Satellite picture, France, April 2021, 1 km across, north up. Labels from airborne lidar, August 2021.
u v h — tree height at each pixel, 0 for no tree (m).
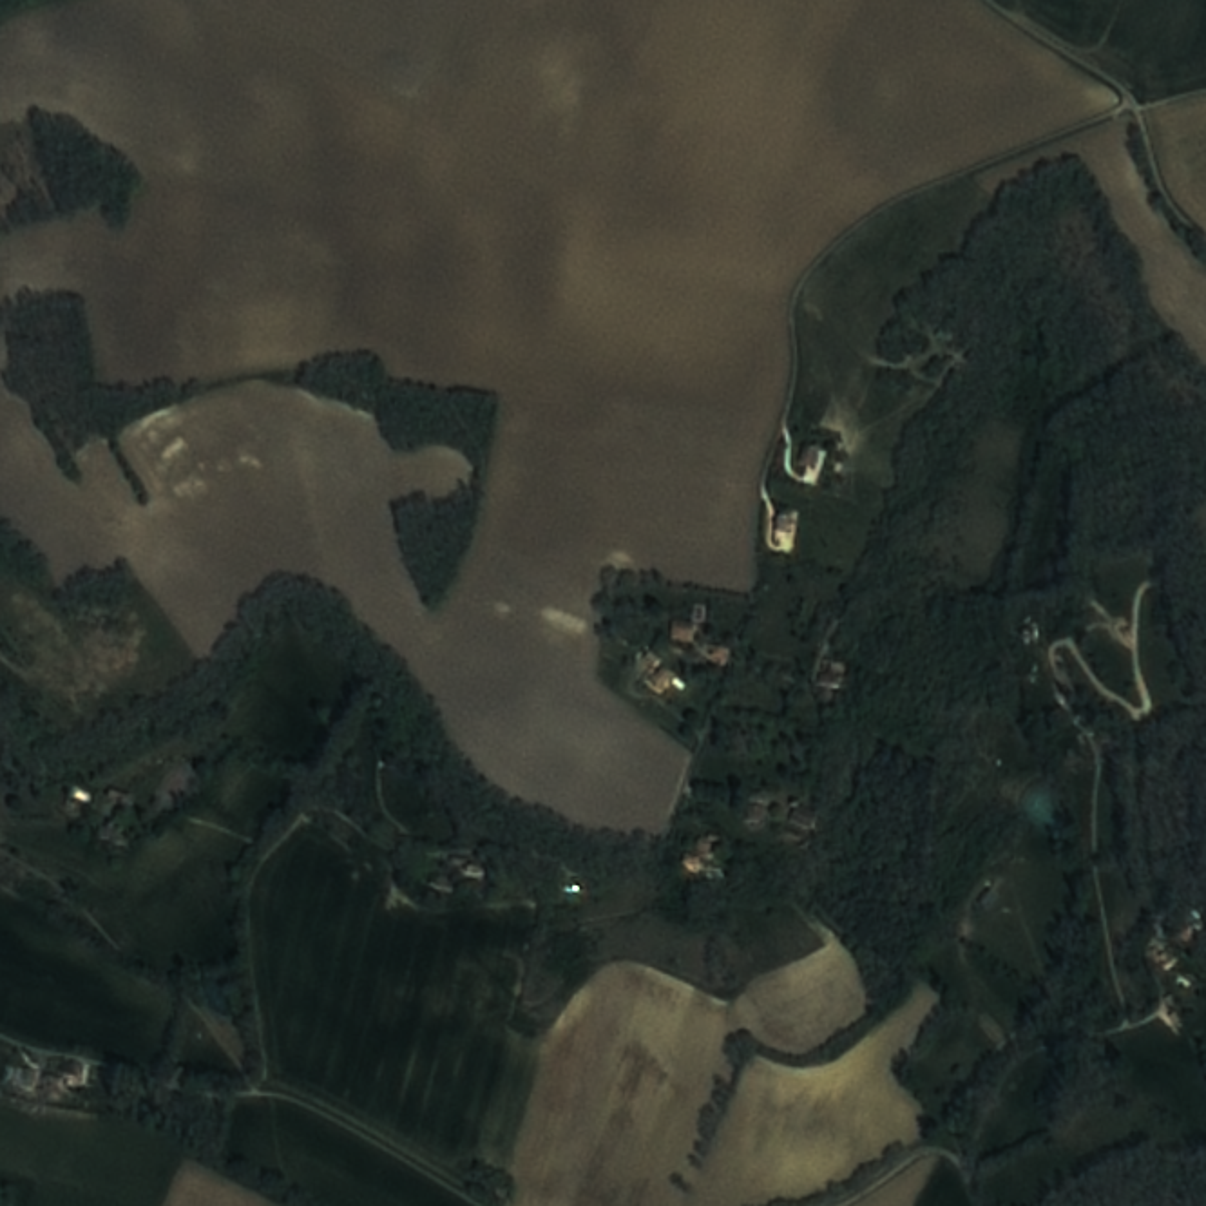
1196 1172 15
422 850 13
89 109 0
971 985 0
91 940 16
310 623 27
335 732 19
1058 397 6
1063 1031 16
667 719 0
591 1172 0
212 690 15
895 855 15
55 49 0
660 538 0
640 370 0
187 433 0
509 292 0
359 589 0
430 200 0
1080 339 20
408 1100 0
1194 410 11
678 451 0
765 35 0
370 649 16
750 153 0
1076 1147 0
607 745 0
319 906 0
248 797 0
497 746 0
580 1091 0
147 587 0
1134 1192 27
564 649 0
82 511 0
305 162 0
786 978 0
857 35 0
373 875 0
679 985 0
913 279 0
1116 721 23
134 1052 0
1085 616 10
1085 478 20
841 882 11
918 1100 10
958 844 7
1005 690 21
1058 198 19
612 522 0
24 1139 0
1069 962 19
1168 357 9
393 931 0
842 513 0
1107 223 14
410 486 0
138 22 0
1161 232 0
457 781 21
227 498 0
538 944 12
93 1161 0
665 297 0
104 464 0
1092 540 13
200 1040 0
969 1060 0
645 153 0
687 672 15
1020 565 18
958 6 0
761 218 0
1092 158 0
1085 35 0
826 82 0
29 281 0
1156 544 21
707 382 0
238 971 18
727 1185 0
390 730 21
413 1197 0
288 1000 0
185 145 0
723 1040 0
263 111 0
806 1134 0
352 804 17
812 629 6
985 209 0
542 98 0
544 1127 0
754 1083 0
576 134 0
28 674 0
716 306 0
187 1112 26
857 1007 0
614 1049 0
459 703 0
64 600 13
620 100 0
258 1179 17
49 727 8
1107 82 0
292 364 0
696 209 0
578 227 0
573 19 0
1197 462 15
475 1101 0
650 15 0
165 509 0
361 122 0
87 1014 0
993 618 19
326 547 0
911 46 0
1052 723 18
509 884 18
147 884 0
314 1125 0
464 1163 0
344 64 0
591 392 0
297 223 0
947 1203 0
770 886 18
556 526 0
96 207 16
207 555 0
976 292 20
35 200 14
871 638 18
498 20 0
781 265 0
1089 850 13
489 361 0
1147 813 19
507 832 19
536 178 0
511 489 0
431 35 0
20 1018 0
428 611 11
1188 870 15
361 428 0
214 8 0
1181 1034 0
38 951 0
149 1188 0
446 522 15
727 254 0
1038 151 0
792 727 12
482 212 0
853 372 0
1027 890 0
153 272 0
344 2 0
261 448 0
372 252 0
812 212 0
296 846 0
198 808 9
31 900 8
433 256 0
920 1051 11
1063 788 16
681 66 0
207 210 0
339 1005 0
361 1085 0
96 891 0
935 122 0
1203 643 24
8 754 16
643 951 0
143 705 12
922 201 0
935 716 8
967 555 0
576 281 0
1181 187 0
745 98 0
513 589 0
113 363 0
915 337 10
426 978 0
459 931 0
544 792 0
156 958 0
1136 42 0
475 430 14
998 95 0
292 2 0
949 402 17
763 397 0
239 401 0
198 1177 0
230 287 0
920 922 17
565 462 0
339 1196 0
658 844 8
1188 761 12
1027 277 21
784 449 8
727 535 0
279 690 0
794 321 0
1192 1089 0
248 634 18
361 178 0
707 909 21
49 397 9
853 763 25
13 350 11
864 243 0
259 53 0
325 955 0
